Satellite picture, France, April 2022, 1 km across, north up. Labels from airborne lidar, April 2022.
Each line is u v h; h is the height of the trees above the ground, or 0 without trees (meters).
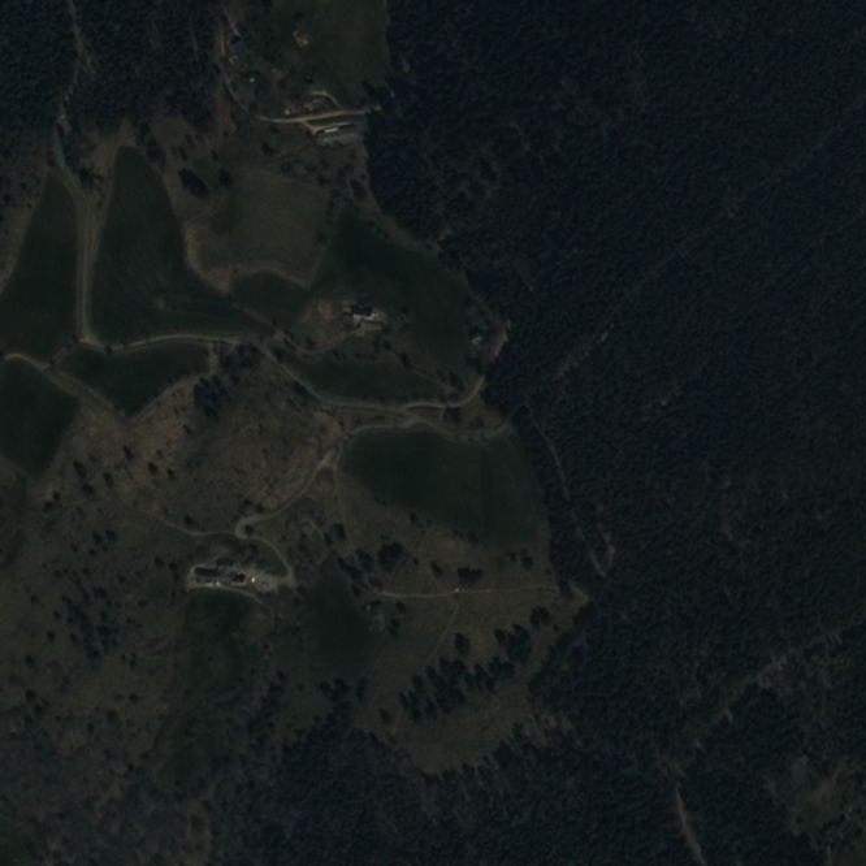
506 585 0
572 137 27
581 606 0
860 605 23
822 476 20
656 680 26
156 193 0
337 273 0
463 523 0
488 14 33
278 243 0
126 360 0
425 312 0
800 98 17
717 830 33
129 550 0
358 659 0
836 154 15
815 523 24
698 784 38
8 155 18
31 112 19
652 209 22
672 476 14
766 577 25
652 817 23
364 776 18
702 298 13
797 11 21
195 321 0
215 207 0
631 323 16
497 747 0
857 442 21
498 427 0
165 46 16
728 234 16
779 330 15
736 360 14
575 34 25
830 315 17
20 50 20
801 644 29
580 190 21
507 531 0
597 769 31
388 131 32
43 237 0
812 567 27
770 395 15
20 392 0
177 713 8
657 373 20
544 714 12
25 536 0
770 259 20
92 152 0
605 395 19
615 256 22
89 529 0
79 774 22
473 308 12
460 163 27
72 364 0
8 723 8
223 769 15
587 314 23
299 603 9
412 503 0
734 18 19
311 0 0
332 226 9
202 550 11
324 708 0
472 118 25
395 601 0
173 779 0
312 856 19
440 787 15
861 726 29
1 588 0
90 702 0
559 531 16
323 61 0
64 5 24
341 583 0
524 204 9
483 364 13
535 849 23
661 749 25
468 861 23
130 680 0
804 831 0
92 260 0
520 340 17
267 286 0
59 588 0
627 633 24
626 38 30
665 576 20
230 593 0
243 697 7
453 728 0
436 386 0
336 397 0
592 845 23
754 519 24
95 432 0
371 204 0
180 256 0
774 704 26
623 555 19
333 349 0
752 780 34
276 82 0
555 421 13
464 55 37
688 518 20
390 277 0
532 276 10
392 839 20
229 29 23
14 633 0
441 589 0
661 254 20
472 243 11
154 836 16
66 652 0
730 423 13
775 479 20
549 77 10
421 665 0
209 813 12
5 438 0
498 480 0
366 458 0
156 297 0
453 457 0
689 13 26
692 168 18
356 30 0
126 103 20
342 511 0
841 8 19
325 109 6
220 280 0
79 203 0
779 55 16
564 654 18
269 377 0
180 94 16
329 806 17
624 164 24
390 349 11
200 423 0
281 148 0
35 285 0
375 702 0
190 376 7
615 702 26
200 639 0
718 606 29
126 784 10
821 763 29
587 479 19
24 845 0
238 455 0
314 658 0
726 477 11
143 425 0
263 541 0
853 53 20
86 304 0
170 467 0
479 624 0
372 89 0
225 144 0
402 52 18
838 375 14
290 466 0
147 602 7
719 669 31
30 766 9
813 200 13
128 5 23
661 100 21
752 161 17
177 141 0
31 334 0
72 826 23
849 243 14
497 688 21
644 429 19
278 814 14
